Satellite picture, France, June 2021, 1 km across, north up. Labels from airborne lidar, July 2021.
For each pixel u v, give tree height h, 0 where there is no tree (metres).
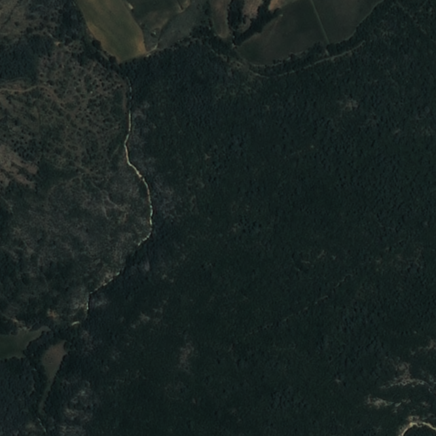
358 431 7
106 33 0
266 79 8
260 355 9
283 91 7
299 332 8
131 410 6
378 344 16
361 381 5
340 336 6
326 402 6
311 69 6
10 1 0
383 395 7
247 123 8
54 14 7
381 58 11
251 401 9
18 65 7
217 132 9
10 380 15
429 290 7
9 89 0
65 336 11
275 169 7
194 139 6
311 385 6
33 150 12
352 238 6
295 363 7
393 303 6
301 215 7
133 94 9
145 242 8
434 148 6
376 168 10
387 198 13
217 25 0
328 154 15
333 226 8
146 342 6
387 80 6
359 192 13
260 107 6
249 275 9
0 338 0
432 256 7
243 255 8
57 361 0
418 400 9
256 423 6
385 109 13
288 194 9
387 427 8
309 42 0
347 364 15
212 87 8
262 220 5
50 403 12
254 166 5
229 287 6
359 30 7
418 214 7
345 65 7
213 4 0
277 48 0
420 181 8
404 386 8
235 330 6
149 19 0
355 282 10
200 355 6
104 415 5
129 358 8
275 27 0
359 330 6
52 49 12
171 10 0
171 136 6
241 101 8
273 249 5
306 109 13
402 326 6
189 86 7
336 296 7
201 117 14
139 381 6
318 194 7
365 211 12
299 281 8
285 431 6
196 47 12
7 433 13
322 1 0
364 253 8
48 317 10
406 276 6
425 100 7
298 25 0
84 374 7
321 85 7
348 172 6
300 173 8
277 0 0
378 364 10
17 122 14
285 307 6
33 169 0
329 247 6
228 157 13
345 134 5
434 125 7
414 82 11
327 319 7
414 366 6
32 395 12
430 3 10
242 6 8
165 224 7
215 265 13
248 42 0
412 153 8
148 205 8
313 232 6
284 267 8
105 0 0
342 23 0
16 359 13
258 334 5
